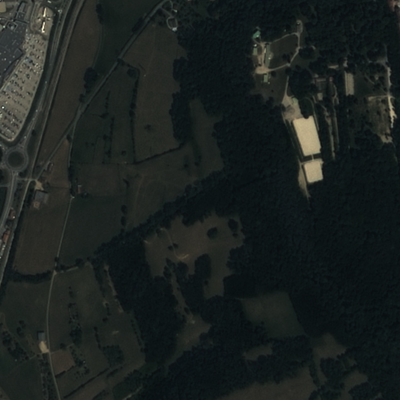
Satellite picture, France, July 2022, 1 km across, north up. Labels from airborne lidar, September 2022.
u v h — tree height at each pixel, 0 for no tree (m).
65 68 0
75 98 0
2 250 0
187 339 0
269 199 24
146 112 0
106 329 0
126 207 11
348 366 11
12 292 0
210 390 25
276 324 0
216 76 18
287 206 32
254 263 21
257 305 0
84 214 0
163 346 21
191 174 0
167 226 18
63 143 0
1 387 0
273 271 24
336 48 20
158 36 0
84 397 0
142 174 0
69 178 9
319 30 23
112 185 0
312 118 0
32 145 0
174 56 0
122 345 0
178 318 26
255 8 32
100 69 0
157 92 0
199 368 24
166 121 0
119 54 13
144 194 0
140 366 0
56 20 0
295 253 18
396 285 26
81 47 0
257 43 0
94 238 0
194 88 18
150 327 21
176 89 0
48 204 0
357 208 24
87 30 0
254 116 26
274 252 25
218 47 24
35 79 0
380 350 23
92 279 0
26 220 0
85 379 0
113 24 0
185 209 17
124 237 20
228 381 17
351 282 26
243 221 21
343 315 26
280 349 21
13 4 0
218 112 22
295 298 18
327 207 21
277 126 14
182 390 27
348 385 0
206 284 14
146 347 8
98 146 0
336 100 0
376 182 28
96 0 0
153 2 0
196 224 0
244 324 12
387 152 25
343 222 23
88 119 0
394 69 20
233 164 20
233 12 19
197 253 0
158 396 26
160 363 11
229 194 18
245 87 22
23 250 0
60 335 0
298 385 0
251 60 14
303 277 26
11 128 0
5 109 0
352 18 17
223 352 25
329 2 27
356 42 22
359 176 29
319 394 14
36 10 0
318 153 0
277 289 11
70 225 0
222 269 0
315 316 22
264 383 14
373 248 28
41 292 0
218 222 0
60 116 0
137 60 0
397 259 24
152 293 26
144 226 15
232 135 26
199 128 0
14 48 0
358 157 27
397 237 26
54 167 0
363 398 16
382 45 22
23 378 0
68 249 0
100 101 0
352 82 0
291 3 24
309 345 21
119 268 23
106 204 0
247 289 11
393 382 19
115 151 0
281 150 27
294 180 18
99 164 0
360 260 26
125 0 0
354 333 30
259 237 25
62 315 0
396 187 27
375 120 0
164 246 0
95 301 0
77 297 0
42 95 0
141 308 23
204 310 24
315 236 25
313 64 16
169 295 10
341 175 26
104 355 7
